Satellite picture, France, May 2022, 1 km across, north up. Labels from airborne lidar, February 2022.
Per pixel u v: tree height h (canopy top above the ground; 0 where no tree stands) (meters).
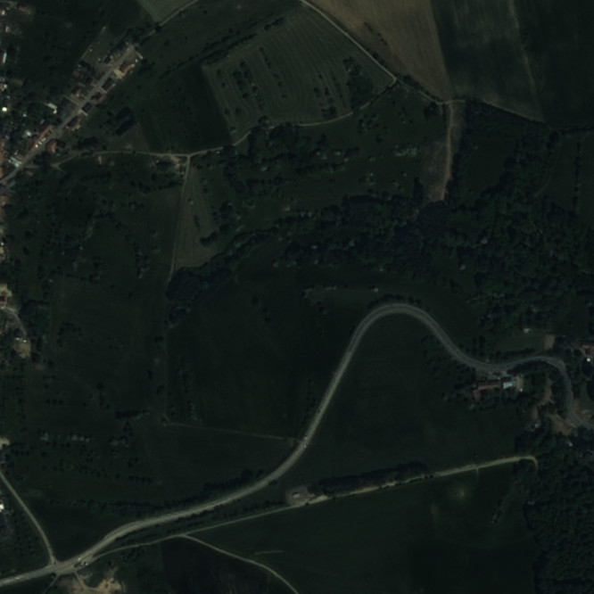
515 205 29
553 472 22
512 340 0
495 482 0
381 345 0
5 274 8
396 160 0
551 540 23
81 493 0
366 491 0
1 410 6
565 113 0
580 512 23
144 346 0
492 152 0
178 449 0
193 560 0
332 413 0
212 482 0
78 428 0
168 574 0
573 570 24
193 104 0
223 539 0
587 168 0
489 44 0
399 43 0
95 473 8
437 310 0
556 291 28
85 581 0
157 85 0
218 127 0
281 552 0
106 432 0
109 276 0
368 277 0
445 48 0
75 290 0
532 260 32
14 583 0
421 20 0
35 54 0
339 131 0
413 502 0
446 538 0
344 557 0
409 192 0
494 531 0
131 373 0
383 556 0
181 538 0
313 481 0
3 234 0
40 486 0
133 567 0
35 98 11
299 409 0
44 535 0
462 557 0
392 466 0
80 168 0
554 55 0
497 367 0
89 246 0
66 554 0
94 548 0
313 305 0
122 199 0
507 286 22
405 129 0
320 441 0
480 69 0
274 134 10
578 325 0
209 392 0
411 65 0
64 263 0
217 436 0
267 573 0
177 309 9
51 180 0
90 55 0
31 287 0
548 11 0
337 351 0
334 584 0
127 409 0
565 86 0
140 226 0
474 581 0
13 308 0
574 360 18
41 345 14
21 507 0
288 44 0
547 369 16
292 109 0
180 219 0
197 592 0
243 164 17
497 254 26
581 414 0
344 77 0
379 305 10
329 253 21
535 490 12
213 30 0
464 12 0
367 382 0
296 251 20
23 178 12
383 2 0
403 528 0
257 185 17
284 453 0
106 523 0
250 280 0
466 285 0
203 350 0
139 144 0
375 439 0
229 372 0
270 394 0
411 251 28
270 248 0
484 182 0
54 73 7
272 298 0
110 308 0
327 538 0
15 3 0
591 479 19
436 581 0
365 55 0
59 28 0
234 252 11
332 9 0
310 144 10
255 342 0
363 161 0
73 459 0
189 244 0
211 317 0
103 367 0
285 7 0
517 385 0
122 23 0
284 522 0
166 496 0
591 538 26
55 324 0
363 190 0
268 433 0
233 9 0
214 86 0
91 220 8
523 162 14
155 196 0
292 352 0
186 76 0
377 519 0
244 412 0
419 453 0
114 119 14
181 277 20
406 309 0
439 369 7
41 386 0
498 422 0
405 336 0
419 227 26
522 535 0
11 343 7
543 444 23
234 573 0
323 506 0
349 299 0
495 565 0
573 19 0
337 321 0
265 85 0
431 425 0
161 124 0
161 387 6
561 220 21
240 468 0
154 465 0
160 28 12
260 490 0
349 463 0
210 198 0
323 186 0
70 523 0
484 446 0
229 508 0
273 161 10
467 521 0
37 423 0
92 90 0
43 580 0
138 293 0
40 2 0
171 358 0
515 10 0
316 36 0
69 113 0
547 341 0
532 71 0
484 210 28
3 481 0
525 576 0
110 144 0
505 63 0
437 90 0
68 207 0
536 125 16
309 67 0
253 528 0
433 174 0
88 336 0
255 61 0
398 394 0
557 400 15
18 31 0
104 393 10
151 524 0
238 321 0
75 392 0
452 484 0
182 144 0
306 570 0
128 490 0
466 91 0
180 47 0
